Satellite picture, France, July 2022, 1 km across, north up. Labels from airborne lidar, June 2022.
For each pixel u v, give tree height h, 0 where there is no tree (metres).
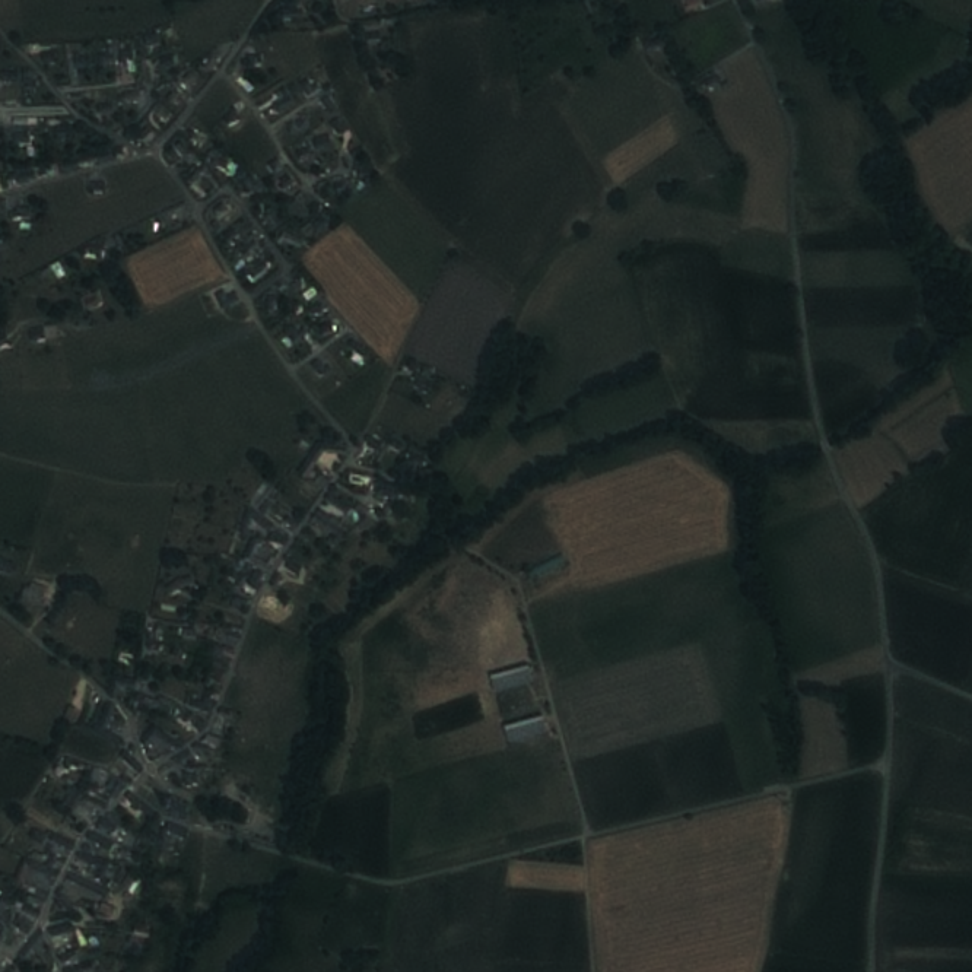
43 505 0
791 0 22
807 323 0
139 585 0
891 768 0
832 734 0
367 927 0
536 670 7
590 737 0
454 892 0
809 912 0
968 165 0
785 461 20
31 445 0
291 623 0
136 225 0
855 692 0
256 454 17
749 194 0
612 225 0
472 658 0
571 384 0
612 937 0
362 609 18
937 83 14
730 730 0
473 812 0
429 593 0
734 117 0
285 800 14
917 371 20
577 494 0
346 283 0
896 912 0
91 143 13
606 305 0
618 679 0
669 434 8
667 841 0
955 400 0
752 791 0
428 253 0
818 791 0
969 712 0
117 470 0
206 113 0
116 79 9
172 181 0
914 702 0
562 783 0
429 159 0
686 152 0
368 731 0
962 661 0
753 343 0
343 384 0
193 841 0
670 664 0
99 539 0
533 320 0
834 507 0
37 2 0
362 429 0
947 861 0
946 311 26
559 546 0
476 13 0
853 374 0
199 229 0
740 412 0
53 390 0
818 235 0
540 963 0
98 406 0
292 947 0
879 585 0
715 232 0
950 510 0
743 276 0
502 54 0
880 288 0
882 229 0
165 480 0
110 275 20
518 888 0
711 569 0
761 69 0
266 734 0
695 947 0
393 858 0
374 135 0
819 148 0
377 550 0
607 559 0
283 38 0
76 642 0
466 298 0
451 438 20
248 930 0
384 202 0
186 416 0
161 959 0
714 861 0
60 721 11
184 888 0
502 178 0
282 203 10
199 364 0
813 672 0
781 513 0
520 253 0
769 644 0
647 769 0
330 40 0
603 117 0
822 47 17
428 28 0
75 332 0
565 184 0
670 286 0
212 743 0
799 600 0
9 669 0
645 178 0
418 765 0
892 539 0
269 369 0
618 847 0
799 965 0
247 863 0
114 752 0
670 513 0
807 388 0
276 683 0
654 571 0
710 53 0
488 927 0
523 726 0
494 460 0
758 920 0
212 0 0
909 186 15
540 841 0
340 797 0
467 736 0
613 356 0
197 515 0
